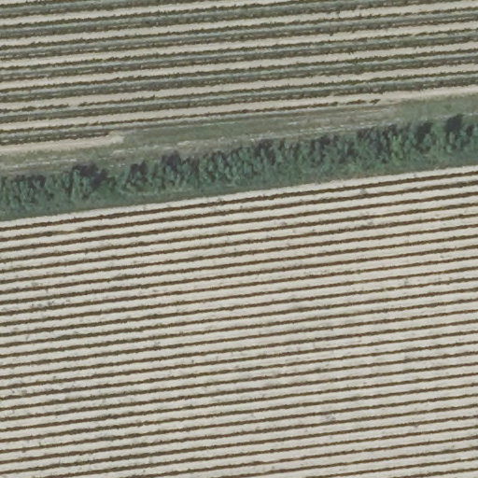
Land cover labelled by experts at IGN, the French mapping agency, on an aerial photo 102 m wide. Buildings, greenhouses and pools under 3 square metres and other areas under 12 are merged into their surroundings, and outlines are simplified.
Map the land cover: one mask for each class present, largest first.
<instances>
[{"label":"vineyard","instance_id":"1","mask_svg":"<svg viewBox=\"0 0 478 478\"><path fill-rule=\"evenodd\" d=\"M454 116L478 118V0H0V177L32 174L60 176L73 164L90 162L99 170L108 172L131 170L133 164L140 162L157 166L162 162V155L166 153H179L181 159L196 157L200 162L218 159L222 161L239 153L254 155V146L261 140L271 142L274 155H289L301 151L302 148H310V140L314 138H321L323 134H338L351 136L362 129L385 127H401L405 123H415L418 127L429 121H446ZM0 478H478V164L405 172L392 176L334 179L325 183L245 190L235 194L204 196L177 202L123 205L0 222Z\"/></svg>","mask_w":478,"mask_h":478},{"label":"deciduous trees","instance_id":"2","mask_svg":"<svg viewBox=\"0 0 478 478\"><path fill-rule=\"evenodd\" d=\"M431 131L424 136V140L416 138L415 134L390 136L383 131L385 127L362 129L351 136L338 134V146H329L327 149H319V146L310 148H302L301 151L289 155H274L276 161L269 164L263 153H260V157L254 155L239 153L222 161L218 159L200 162L198 172L183 164L172 172L170 166L162 162L157 166L140 162L133 164L131 170L108 172L99 170L90 162L73 164L60 176L32 174L0 177V222L123 205L177 202L204 196L235 194L245 190L325 183L334 179L392 176L405 172L478 164V118L454 116L446 121H429Z\"/></svg>","mask_w":478,"mask_h":478},{"label":"herbaceous vegetation","instance_id":"3","mask_svg":"<svg viewBox=\"0 0 478 478\"><path fill-rule=\"evenodd\" d=\"M383 131L390 136L415 134L416 138L424 140V136L431 131L429 121L418 127L415 123H405L401 127H385ZM319 146V149H327L329 146H338V134H323L321 138H314L310 140V148ZM260 153H263L269 164L276 161L274 155L271 142L261 140L254 146V155L260 157ZM170 166L172 172L183 164L198 172L200 162L196 157L181 159L179 153H166L162 155V162Z\"/></svg>","mask_w":478,"mask_h":478}]
</instances>
